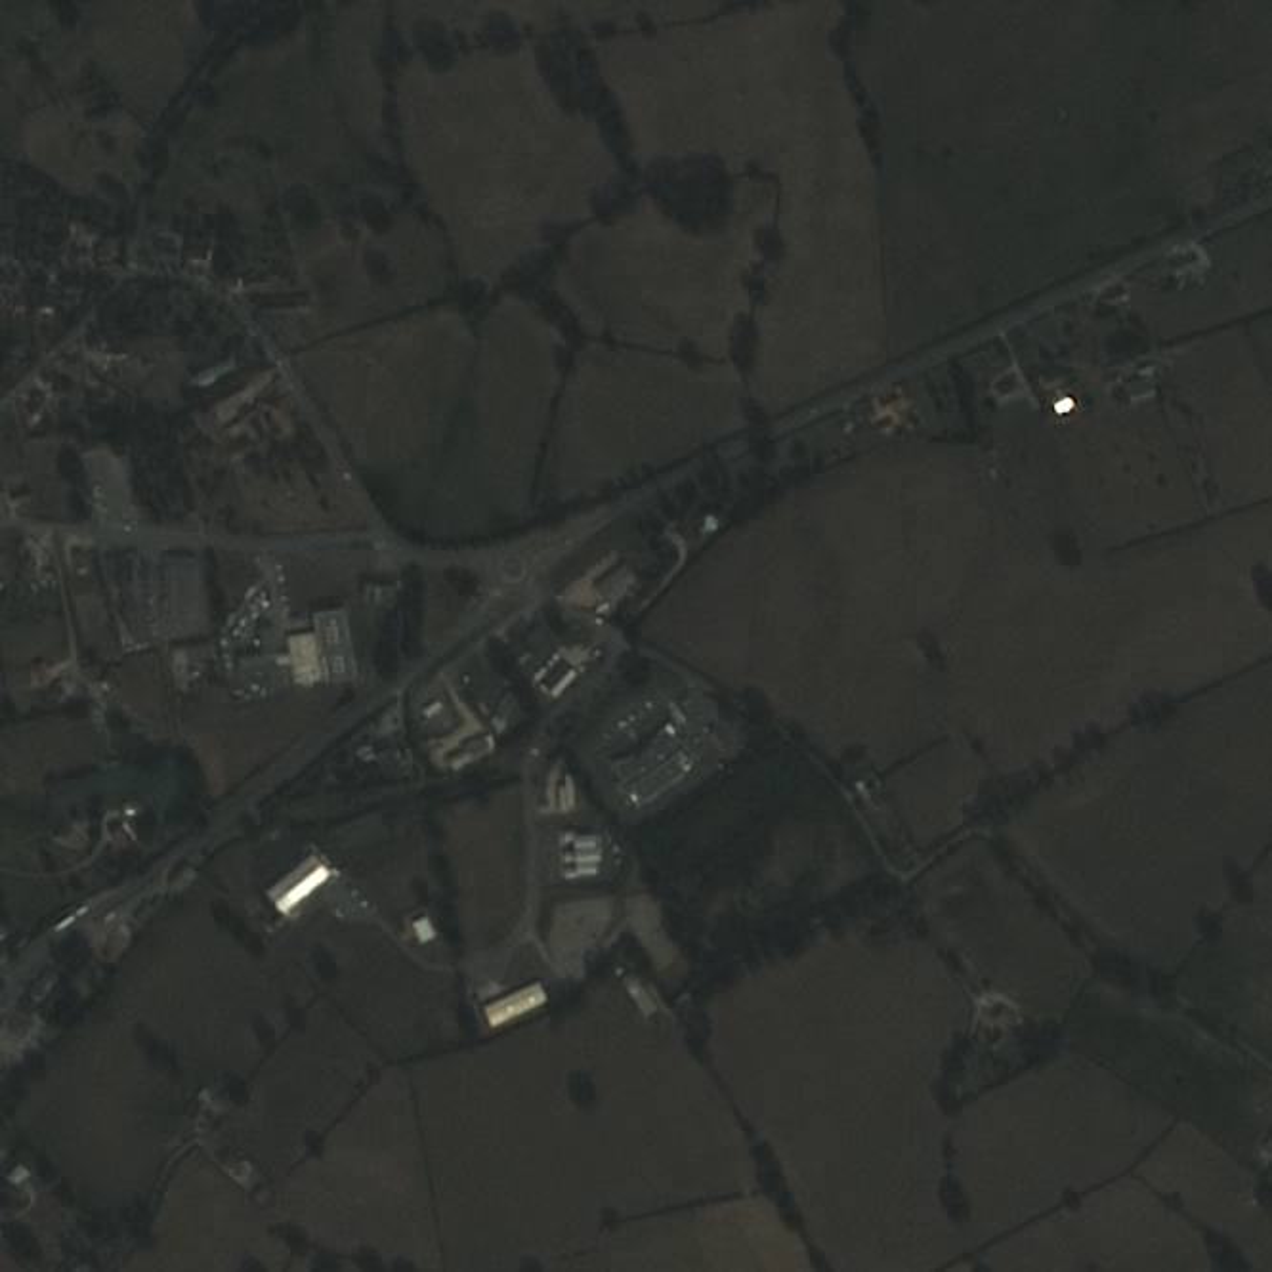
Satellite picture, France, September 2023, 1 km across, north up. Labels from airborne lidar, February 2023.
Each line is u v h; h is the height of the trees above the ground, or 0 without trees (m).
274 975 0
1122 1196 0
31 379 0
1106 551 0
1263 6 0
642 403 0
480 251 0
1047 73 0
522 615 0
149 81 0
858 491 0
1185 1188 0
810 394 0
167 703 0
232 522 7
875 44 0
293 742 0
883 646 0
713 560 0
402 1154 0
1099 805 0
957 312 0
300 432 6
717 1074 0
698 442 0
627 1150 0
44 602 0
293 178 0
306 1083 0
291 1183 0
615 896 0
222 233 13
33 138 0
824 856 0
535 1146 0
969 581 0
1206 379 0
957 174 0
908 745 0
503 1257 0
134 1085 0
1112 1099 0
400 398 0
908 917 15
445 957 0
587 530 0
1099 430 0
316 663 0
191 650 0
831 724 0
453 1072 0
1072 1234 0
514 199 0
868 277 0
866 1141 0
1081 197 0
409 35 0
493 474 0
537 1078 0
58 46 0
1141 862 0
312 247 0
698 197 20
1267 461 0
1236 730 0
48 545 0
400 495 0
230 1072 0
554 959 0
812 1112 0
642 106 0
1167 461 0
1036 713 0
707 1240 0
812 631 0
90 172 0
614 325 0
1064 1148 0
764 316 0
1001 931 0
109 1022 0
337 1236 0
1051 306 0
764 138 0
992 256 0
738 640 0
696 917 0
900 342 0
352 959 0
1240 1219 0
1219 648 0
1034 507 0
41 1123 0
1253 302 0
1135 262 0
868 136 11
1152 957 0
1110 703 0
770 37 0
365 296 0
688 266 0
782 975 0
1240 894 19
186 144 0
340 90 0
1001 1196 0
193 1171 0
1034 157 0
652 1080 0
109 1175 0
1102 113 0
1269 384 0
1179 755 0
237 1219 0
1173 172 0
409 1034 0
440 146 0
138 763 15
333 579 0
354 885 0
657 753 0
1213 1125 0
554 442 0
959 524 0
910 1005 0
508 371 0
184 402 7
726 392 0
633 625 8
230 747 0
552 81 19
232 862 0
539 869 0
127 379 0
